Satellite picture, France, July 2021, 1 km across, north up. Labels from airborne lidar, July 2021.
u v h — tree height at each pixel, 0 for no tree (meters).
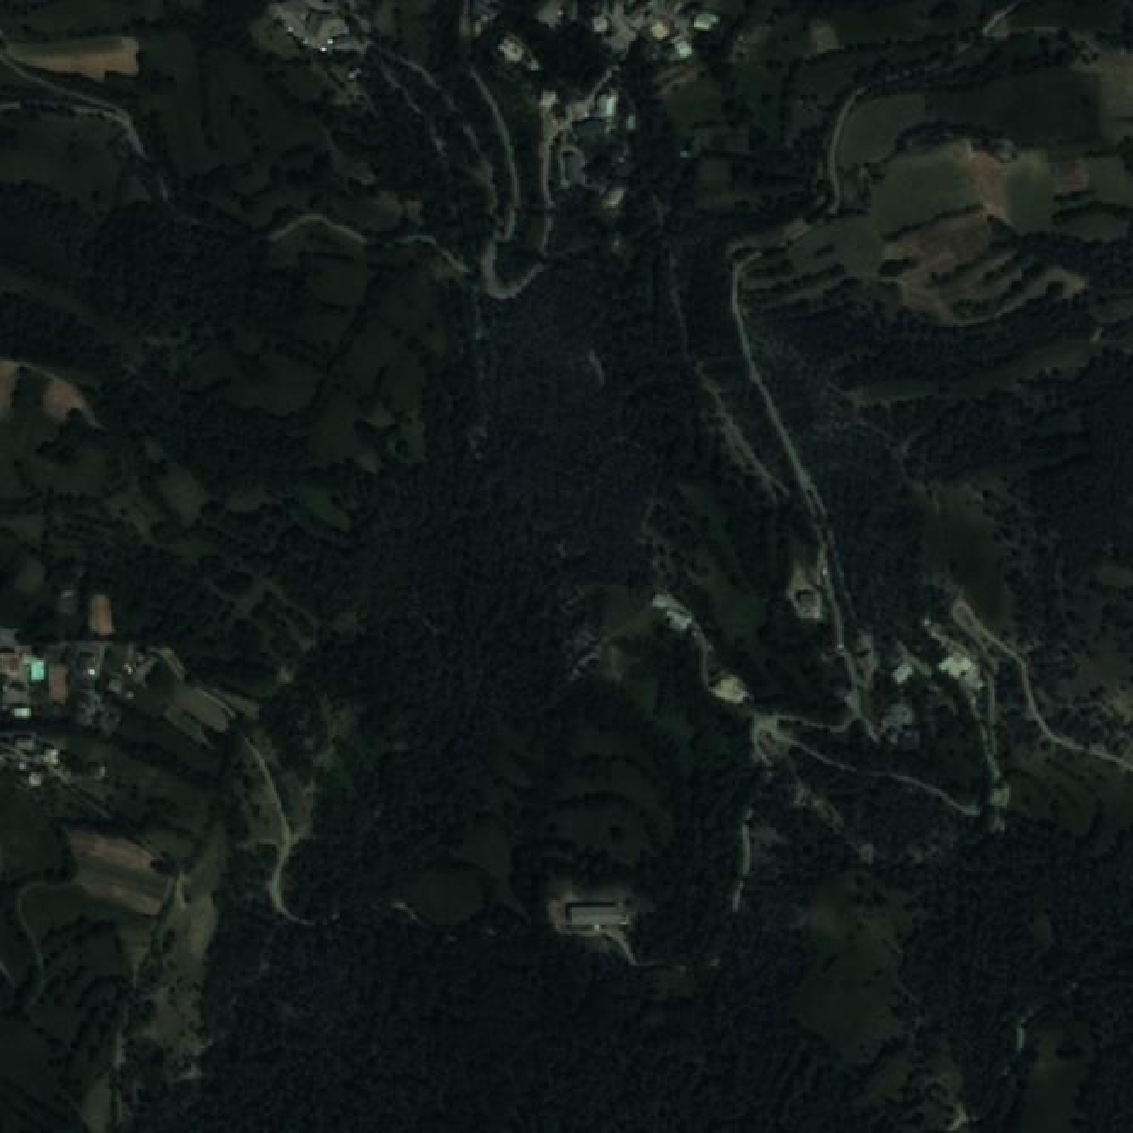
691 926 19
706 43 13
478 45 11
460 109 11
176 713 0
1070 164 0
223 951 12
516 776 0
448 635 7
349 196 9
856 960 0
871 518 19
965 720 10
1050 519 14
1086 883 24
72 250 6
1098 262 11
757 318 8
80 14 0
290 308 25
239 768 7
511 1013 18
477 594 19
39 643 7
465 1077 19
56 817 7
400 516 13
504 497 20
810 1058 24
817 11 8
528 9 13
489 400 7
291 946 21
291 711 13
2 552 0
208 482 9
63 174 0
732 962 16
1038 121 0
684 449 24
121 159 7
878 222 0
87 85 10
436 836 19
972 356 6
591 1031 24
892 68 7
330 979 21
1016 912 15
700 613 7
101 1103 0
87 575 8
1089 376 15
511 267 16
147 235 22
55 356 13
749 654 10
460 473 15
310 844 12
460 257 10
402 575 7
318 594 20
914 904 9
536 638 12
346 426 0
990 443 10
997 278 6
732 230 13
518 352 13
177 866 7
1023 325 15
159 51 0
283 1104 15
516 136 6
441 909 0
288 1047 24
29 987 12
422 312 0
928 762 13
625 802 10
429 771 15
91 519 8
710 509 0
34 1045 0
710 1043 14
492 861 0
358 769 9
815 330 12
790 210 9
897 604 7
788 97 11
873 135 0
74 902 0
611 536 13
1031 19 0
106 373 11
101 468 0
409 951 24
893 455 14
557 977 27
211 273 23
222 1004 17
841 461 12
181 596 21
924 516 8
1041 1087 0
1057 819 8
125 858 0
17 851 0
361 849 16
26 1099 6
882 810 10
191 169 0
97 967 0
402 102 17
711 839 23
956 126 8
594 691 17
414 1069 13
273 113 0
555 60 11
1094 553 15
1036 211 0
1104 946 24
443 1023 29
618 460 14
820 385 7
